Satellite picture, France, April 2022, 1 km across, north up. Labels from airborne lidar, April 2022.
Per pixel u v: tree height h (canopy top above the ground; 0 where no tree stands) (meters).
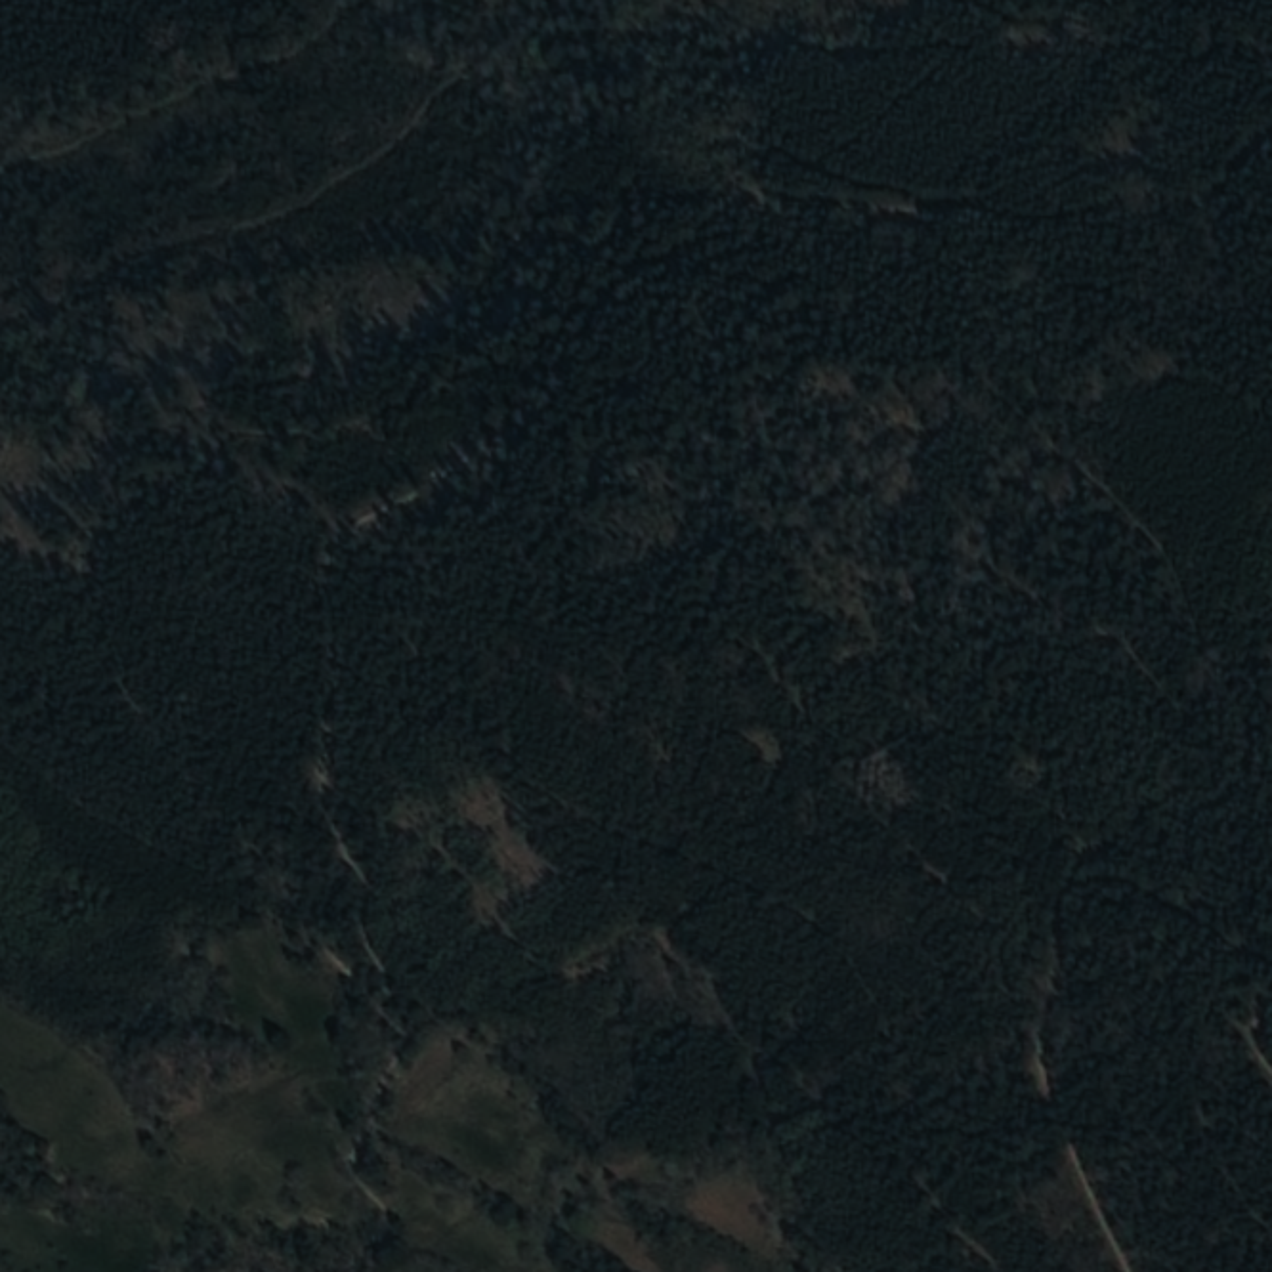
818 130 25
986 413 22
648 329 23
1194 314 30
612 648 18
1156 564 9
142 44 25
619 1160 20
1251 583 7
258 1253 7
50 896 8
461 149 7
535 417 5
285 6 15
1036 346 24
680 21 16
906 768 25
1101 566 21
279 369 9
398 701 23
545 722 17
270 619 21
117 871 15
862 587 9
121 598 22
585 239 11
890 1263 27
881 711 21
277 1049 17
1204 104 25
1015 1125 13
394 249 10
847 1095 19
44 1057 0
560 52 32
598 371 29
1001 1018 20
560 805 9
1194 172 29
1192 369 24
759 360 26
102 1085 0
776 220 18
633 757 10
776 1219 15
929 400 15
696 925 20
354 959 23
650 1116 28
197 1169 0
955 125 21
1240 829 23
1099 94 26
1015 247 29
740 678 10
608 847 12
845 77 25
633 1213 17
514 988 25
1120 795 18
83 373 24
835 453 13
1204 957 18
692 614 21
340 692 18
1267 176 27
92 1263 0
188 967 16
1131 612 17
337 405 16
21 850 16
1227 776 24
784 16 6
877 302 27
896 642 11
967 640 23
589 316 14
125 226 7
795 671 22
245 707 26
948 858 16
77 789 17
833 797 19
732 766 16
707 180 8
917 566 21
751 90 23
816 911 26
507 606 22
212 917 15
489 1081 0
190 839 21
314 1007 0
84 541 26
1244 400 12
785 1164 12
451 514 25
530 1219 17
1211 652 25
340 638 20
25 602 24
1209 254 28
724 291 25
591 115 10
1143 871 25
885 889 24
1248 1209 20
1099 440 12
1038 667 22
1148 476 12
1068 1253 7
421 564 20
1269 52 27
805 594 11
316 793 26
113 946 14
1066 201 31
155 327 11
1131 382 18
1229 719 26
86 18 30
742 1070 28
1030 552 12
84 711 21
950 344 26
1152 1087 20
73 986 16
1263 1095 24
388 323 0
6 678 24
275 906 21
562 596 9
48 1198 13
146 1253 0
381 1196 20
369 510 0
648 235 26
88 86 23
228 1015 7
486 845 24
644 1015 24
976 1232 11
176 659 24
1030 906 27
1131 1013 17
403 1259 31
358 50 7
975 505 16
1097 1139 21
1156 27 23
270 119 6
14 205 13
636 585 10
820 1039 24
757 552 23
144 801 21
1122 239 22
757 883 20
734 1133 9
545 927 23
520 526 25
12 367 10
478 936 23
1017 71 23
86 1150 0
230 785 26
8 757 13
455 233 9
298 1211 10
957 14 23
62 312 11
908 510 10
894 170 22
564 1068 16
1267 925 36
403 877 23
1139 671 24
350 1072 9
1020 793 19
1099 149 28
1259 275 26
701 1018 27
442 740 23
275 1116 0
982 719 19
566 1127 30
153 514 25
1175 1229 18
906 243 18
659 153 7
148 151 6
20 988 16
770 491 9
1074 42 23
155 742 22
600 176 12
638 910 25
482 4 14
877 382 16
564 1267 32
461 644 20
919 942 23
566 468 30
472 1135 0
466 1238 0
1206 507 13
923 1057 10
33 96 22
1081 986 17
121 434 26
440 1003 22
